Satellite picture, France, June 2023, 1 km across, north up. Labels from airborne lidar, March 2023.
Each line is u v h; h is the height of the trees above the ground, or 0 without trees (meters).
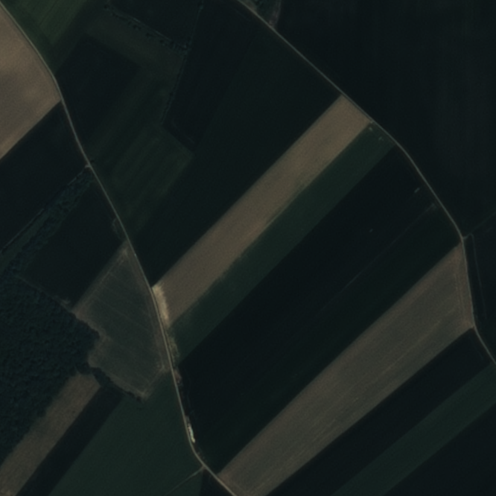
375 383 0
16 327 16
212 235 0
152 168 0
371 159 0
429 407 0
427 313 0
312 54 0
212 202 0
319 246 0
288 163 0
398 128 0
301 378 0
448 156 0
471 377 0
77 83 0
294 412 0
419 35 0
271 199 0
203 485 0
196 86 0
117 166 0
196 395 0
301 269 0
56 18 0
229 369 0
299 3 0
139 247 0
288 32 0
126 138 0
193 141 0
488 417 0
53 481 0
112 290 0
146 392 0
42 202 0
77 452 0
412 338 0
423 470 0
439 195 0
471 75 0
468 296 0
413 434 0
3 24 0
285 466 0
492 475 0
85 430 0
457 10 0
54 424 0
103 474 0
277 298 0
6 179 0
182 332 0
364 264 0
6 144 0
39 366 20
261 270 0
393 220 0
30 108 0
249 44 0
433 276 0
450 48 0
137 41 0
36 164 0
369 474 0
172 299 0
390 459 0
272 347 0
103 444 0
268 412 0
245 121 0
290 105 0
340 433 0
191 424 0
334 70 0
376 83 0
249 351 0
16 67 0
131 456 0
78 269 0
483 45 0
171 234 0
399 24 0
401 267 0
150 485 0
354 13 0
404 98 0
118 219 0
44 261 0
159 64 0
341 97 0
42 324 16
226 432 0
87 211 0
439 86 0
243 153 0
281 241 0
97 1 0
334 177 0
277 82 0
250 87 0
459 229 0
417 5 0
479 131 0
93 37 0
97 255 0
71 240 0
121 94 0
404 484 0
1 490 0
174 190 0
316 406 0
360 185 0
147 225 0
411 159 0
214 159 0
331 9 0
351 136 0
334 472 0
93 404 0
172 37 0
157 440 0
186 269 0
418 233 0
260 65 0
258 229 0
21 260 14
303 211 0
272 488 0
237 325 0
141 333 0
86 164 0
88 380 0
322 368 0
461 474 0
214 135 0
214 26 0
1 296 17
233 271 0
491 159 0
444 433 0
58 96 0
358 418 0
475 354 0
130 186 0
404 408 0
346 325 0
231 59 0
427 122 0
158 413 0
